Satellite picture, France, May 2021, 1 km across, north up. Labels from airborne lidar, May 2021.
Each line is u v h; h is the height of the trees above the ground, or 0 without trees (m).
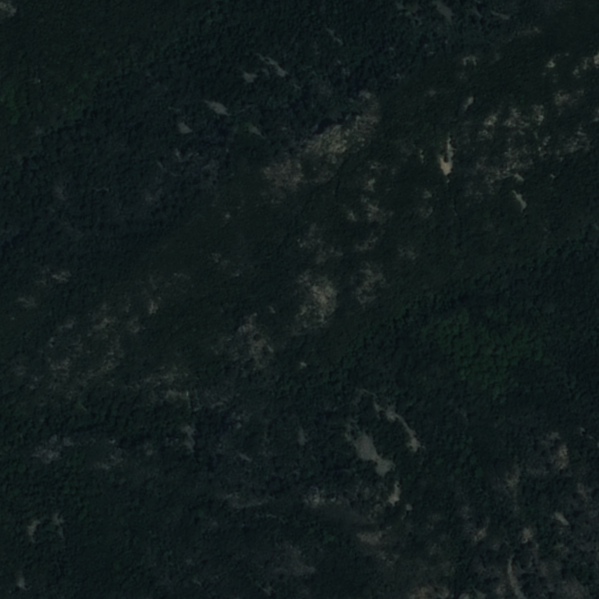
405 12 10
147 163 8
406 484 8
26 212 14
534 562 5
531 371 9
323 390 10
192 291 8
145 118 7
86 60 17
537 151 6
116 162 7
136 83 8
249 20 9
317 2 10
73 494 13
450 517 11
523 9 6
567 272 14
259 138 9
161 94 6
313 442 6
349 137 7
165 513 7
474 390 8
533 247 12
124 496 9
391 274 10
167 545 8
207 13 19
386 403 7
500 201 9
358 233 7
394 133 11
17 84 11
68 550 10
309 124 6
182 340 11
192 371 11
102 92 21
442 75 8
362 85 8
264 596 9
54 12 15
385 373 11
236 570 7
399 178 8
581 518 15
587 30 7
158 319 8
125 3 12
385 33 8
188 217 5
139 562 16
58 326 9
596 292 10
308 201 9
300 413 11
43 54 13
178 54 9
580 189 13
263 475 8
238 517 7
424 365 13
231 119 9
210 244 10
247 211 6
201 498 15
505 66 15
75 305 20
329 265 15
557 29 6
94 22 16
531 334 16
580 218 9
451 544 6
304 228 8
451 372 15
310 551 7
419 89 9
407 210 6
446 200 14
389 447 11
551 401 12
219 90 11
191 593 6
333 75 6
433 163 13
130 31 12
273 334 8
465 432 7
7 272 10
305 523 10
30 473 16
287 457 6
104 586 7
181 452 9
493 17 9
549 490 11
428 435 8
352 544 12
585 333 20
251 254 7
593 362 12
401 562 6
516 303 17
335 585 7
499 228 16
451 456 12
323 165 12
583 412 10
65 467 9
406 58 11
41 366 6
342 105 8
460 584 6
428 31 9
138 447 13
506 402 9
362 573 6
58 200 6
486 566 9
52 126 19
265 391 10
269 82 10
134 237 8
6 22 13
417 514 11
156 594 10
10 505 13
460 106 15
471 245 11
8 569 12
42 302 7
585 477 7
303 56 10
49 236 8
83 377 7
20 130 10
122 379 10
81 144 17
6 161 16
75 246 6
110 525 7
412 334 17
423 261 8
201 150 6
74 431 12
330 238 9
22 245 20
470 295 11
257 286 10
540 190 11
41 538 13
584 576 17
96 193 8
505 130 7
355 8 9
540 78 7
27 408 6
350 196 8
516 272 17
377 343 11
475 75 7
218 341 11
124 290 8
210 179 6
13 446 21
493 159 7
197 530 7
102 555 8
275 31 10
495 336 17
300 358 20
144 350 7
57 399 7
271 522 10
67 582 13
